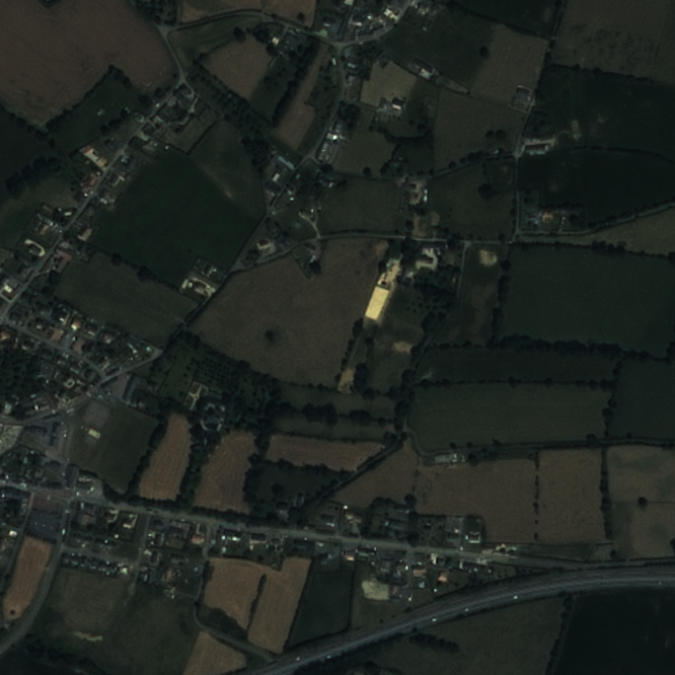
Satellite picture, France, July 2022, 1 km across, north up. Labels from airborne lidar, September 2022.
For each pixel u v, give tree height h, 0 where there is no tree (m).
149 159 0
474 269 0
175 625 0
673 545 13
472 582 6
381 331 0
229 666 0
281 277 0
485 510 0
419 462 0
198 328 0
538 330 0
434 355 0
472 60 0
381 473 0
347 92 0
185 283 0
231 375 6
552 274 0
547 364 0
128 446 0
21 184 30
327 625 0
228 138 0
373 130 7
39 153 0
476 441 0
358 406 0
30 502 0
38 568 0
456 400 0
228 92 9
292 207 0
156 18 11
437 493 0
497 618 0
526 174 0
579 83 0
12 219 0
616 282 0
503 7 0
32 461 7
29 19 0
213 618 0
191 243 0
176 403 7
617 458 0
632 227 0
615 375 12
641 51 0
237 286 0
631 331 0
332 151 0
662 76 0
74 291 0
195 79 8
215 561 0
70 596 0
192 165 0
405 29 0
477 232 0
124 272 0
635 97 0
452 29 0
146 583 6
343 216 0
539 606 0
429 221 0
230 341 0
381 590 0
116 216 0
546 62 11
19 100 0
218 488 0
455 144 0
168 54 0
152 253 0
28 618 0
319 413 18
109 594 0
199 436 21
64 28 0
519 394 0
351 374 0
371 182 0
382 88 0
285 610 0
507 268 19
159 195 0
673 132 0
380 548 0
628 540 0
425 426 0
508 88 0
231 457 0
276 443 0
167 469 0
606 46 0
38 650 17
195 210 0
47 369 0
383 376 0
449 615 0
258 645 0
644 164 0
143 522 0
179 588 0
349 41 0
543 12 0
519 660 0
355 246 0
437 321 18
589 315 0
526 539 0
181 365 0
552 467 0
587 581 0
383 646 11
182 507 20
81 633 0
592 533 0
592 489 0
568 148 0
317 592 0
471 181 0
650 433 0
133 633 0
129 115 16
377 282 0
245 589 0
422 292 12
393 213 0
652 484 0
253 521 13
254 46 0
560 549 0
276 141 0
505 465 0
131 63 0
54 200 0
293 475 15
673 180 0
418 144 13
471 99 0
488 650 0
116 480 0
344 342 0
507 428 0
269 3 0
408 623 0
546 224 0
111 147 0
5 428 0
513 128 0
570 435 0
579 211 7
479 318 0
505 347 16
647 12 0
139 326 0
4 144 0
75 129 0
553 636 0
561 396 0
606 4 0
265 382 10
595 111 0
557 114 0
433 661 0
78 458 0
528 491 0
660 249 0
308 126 0
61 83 0
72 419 0
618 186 0
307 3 0
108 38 0
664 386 0
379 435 0
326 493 13
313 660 0
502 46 0
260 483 10
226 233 0
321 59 0
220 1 0
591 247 6
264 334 0
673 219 0
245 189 0
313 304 0
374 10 0
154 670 0
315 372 0
